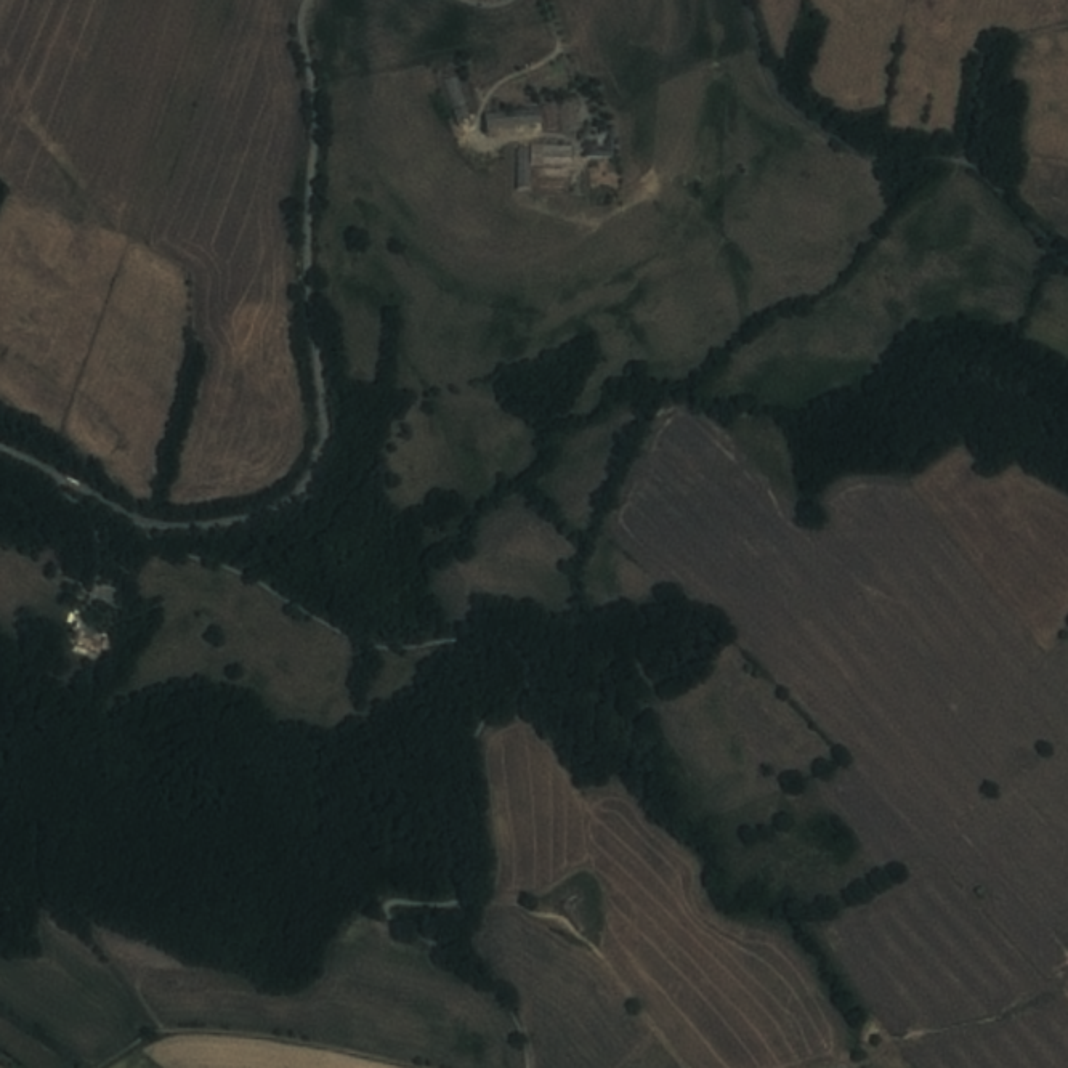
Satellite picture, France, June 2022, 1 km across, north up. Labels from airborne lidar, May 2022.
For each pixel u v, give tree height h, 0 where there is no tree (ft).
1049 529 0
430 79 0
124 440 0
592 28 0
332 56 0
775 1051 0
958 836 0
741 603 0
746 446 0
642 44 0
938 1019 0
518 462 0
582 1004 0
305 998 0
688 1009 0
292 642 0
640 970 0
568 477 0
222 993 0
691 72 0
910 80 0
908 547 0
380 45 0
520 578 0
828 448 24
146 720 63
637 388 55
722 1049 0
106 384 0
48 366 0
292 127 0
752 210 0
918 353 59
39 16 0
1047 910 0
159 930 46
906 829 0
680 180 0
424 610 44
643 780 17
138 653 55
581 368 69
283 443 0
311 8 0
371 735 52
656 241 0
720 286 0
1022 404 70
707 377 30
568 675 39
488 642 69
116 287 0
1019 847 0
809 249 0
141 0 0
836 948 0
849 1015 50
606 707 46
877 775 0
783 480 0
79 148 0
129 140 0
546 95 39
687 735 0
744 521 0
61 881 64
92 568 43
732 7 0
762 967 0
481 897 78
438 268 0
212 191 0
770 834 54
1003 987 0
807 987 0
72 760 84
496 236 0
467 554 61
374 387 51
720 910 45
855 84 0
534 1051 0
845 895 41
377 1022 0
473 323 0
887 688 0
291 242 36
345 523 54
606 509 60
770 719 0
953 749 0
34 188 0
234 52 0
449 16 0
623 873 0
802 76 34
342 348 23
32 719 74
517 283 0
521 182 0
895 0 0
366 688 45
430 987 0
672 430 0
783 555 0
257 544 72
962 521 0
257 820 83
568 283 0
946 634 0
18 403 0
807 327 0
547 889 0
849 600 0
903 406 64
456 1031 0
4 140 0
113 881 67
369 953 0
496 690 53
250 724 78
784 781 45
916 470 40
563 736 59
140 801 82
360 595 50
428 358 0
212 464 0
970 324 38
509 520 0
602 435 0
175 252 0
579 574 34
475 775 62
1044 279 53
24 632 71
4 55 0
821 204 0
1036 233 20
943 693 0
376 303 0
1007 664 0
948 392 52
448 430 0
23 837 46
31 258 0
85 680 69
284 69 0
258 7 0
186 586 0
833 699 0
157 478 30
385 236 0
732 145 0
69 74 0
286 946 62
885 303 0
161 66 0
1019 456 43
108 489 35
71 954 0
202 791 63
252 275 0
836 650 0
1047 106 0
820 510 74
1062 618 0
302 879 87
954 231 0
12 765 96
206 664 0
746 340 68
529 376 52
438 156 0
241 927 64
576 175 0
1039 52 0
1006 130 57
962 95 23
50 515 55
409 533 51
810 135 0
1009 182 57
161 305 0
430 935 68
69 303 0
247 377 0
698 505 0
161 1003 0
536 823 0
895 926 0
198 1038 0
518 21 0
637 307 0
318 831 49
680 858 0
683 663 49
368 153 0
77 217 0
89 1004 0
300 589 19
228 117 0
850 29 0
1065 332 0
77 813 96
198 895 75
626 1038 0
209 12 0
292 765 83
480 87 0
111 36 0
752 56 0
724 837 0
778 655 0
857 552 0
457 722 59
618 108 0
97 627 20
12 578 0
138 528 29
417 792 83
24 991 0
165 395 0
